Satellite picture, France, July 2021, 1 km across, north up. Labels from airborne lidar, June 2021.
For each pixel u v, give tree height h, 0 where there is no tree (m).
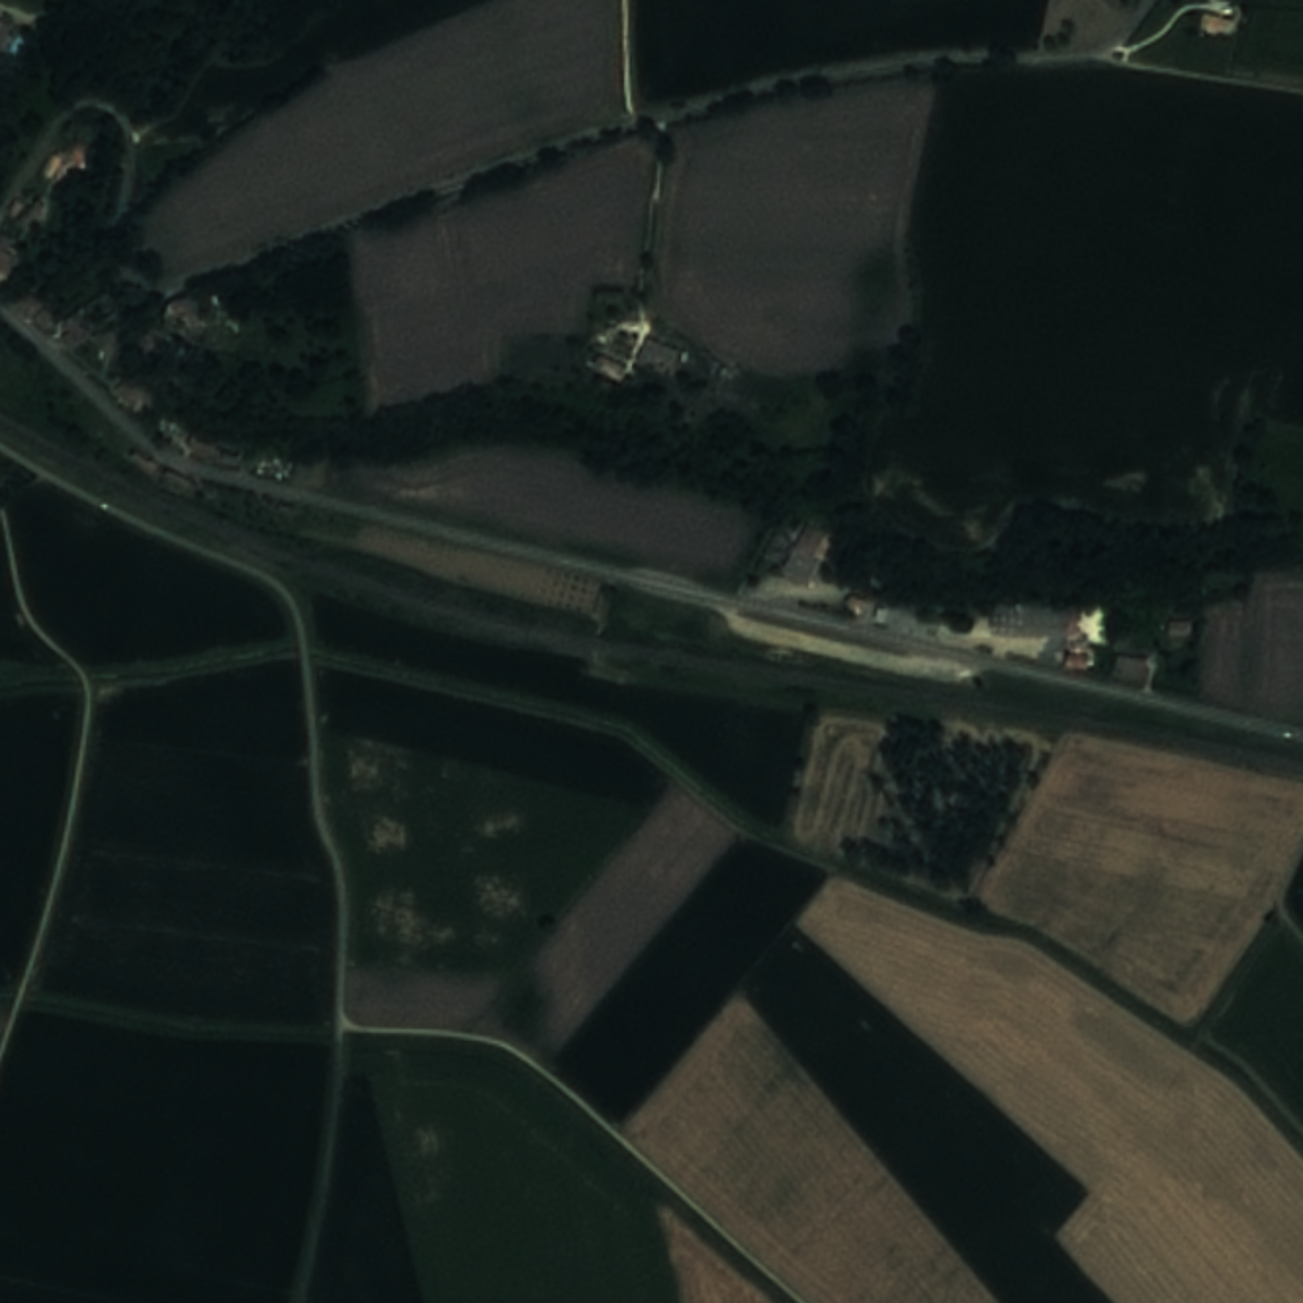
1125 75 0
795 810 0
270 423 12
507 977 0
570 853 0
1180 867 0
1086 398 0
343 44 0
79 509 0
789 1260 0
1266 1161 0
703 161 0
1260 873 0
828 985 0
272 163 0
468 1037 0
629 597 0
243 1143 0
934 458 0
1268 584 0
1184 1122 0
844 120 0
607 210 0
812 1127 0
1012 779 17
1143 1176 0
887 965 0
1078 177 0
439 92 0
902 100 0
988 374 0
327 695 0
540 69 0
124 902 0
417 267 0
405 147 0
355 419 9
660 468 20
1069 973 0
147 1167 0
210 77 0
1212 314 0
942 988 0
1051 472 0
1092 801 0
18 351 12
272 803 0
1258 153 0
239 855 0
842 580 9
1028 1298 0
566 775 0
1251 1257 0
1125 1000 0
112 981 0
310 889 0
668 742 0
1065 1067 0
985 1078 0
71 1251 0
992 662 0
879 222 0
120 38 22
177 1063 0
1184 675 12
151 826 0
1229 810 0
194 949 0
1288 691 0
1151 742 0
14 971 0
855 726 0
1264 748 0
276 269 15
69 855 0
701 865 0
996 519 0
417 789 0
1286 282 0
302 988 0
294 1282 0
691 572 0
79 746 0
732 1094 0
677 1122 0
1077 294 0
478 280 0
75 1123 0
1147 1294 0
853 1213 0
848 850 16
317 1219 0
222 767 0
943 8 0
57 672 0
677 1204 0
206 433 11
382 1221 0
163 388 15
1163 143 0
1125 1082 0
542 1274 0
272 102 11
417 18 0
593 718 0
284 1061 0
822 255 0
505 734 0
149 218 7
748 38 0
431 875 0
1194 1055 0
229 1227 0
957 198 0
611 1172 0
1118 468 0
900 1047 0
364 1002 0
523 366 0
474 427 15
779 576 7
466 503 0
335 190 0
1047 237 0
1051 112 0
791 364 0
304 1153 0
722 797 0
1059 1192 0
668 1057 0
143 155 0
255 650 0
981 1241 0
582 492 0
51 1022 0
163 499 0
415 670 0
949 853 24
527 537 0
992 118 0
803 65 0
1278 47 0
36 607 0
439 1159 0
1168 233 0
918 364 12
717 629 0
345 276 14
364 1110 0
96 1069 0
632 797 0
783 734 0
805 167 0
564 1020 0
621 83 0
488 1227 0
